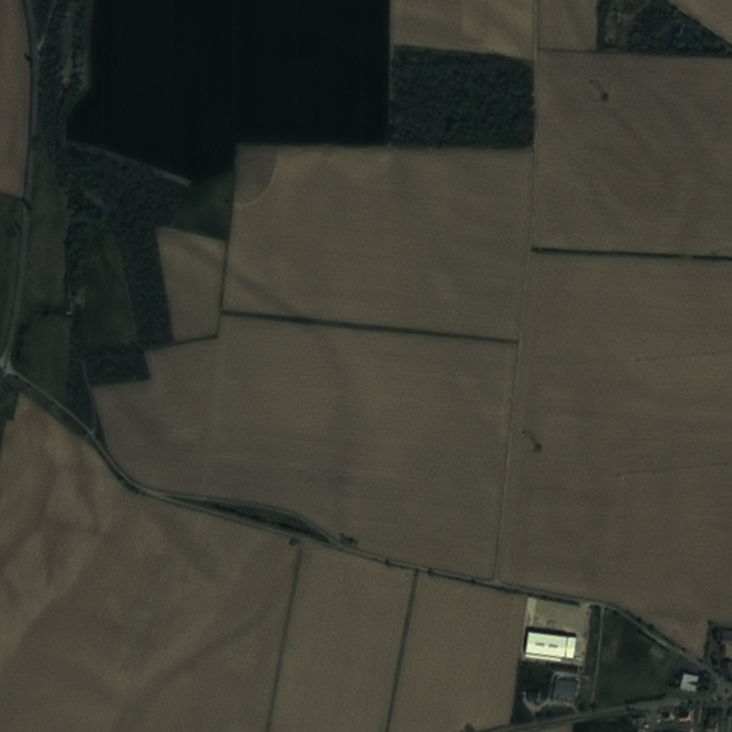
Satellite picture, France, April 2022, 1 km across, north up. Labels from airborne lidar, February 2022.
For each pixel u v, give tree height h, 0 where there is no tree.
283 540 0
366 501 0
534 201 0
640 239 0
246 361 0
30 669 0
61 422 0
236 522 0
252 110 0
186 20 0
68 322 0
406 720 0
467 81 15
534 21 0
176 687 0
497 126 10
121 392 0
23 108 0
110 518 0
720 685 0
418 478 0
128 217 16
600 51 0
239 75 0
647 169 0
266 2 0
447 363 0
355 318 0
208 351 0
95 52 0
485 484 0
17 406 0
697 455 0
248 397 0
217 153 0
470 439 0
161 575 0
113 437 0
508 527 0
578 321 0
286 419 0
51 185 0
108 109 0
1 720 0
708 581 0
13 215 0
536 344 0
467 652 0
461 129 11
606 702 0
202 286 0
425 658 0
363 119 0
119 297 0
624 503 0
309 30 0
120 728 0
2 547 0
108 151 0
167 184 18
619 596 0
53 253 0
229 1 0
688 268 0
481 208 0
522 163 0
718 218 0
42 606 0
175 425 0
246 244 0
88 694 0
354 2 0
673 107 0
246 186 0
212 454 0
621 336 0
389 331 0
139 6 0
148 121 0
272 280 0
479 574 0
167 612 0
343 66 0
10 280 0
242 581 0
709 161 0
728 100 0
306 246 0
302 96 0
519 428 0
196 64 0
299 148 0
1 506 0
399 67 17
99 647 0
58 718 0
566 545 0
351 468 0
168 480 0
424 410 0
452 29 0
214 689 0
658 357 0
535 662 0
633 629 0
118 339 0
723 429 0
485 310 0
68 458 0
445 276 0
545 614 0
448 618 0
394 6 0
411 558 0
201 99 0
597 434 0
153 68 0
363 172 0
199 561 0
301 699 0
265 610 0
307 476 0
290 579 0
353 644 0
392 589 0
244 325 0
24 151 0
